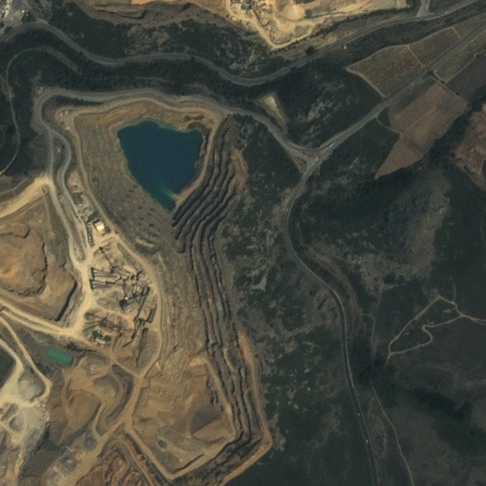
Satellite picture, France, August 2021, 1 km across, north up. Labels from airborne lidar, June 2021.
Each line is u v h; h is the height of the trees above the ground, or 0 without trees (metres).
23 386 0
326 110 0
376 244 0
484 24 0
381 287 0
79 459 0
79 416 0
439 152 9
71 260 0
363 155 0
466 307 0
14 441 0
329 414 0
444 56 0
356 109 0
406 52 0
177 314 0
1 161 0
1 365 0
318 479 0
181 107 0
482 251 0
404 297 0
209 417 0
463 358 0
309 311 0
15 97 0
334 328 0
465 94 0
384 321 0
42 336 0
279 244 0
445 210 0
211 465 0
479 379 0
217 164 0
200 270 0
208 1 0
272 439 0
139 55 0
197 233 0
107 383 0
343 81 0
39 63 0
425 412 0
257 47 0
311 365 0
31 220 0
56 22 11
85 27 0
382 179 15
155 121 0
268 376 0
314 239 0
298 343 0
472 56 0
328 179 0
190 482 0
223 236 0
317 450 0
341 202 7
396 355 0
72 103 0
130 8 0
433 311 0
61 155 0
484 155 0
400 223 0
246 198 0
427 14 0
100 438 0
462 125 17
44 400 0
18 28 0
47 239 0
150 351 0
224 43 0
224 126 0
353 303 0
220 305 0
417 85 0
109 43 0
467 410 7
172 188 0
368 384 15
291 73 6
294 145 0
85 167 0
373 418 0
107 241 0
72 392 0
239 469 0
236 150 0
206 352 0
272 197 0
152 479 0
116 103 0
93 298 0
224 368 0
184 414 0
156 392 0
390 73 0
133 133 0
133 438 0
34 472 0
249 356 0
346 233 0
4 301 0
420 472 0
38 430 0
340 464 0
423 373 0
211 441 0
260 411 0
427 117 0
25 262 0
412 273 0
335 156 8
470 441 0
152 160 0
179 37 0
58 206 0
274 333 0
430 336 0
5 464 0
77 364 0
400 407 0
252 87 8
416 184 0
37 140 0
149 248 0
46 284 0
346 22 7
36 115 0
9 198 0
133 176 0
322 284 0
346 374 0
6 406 0
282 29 0
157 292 0
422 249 0
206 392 0
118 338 0
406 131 0
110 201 0
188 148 0
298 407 0
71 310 0
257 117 0
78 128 0
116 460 0
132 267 0
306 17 0
